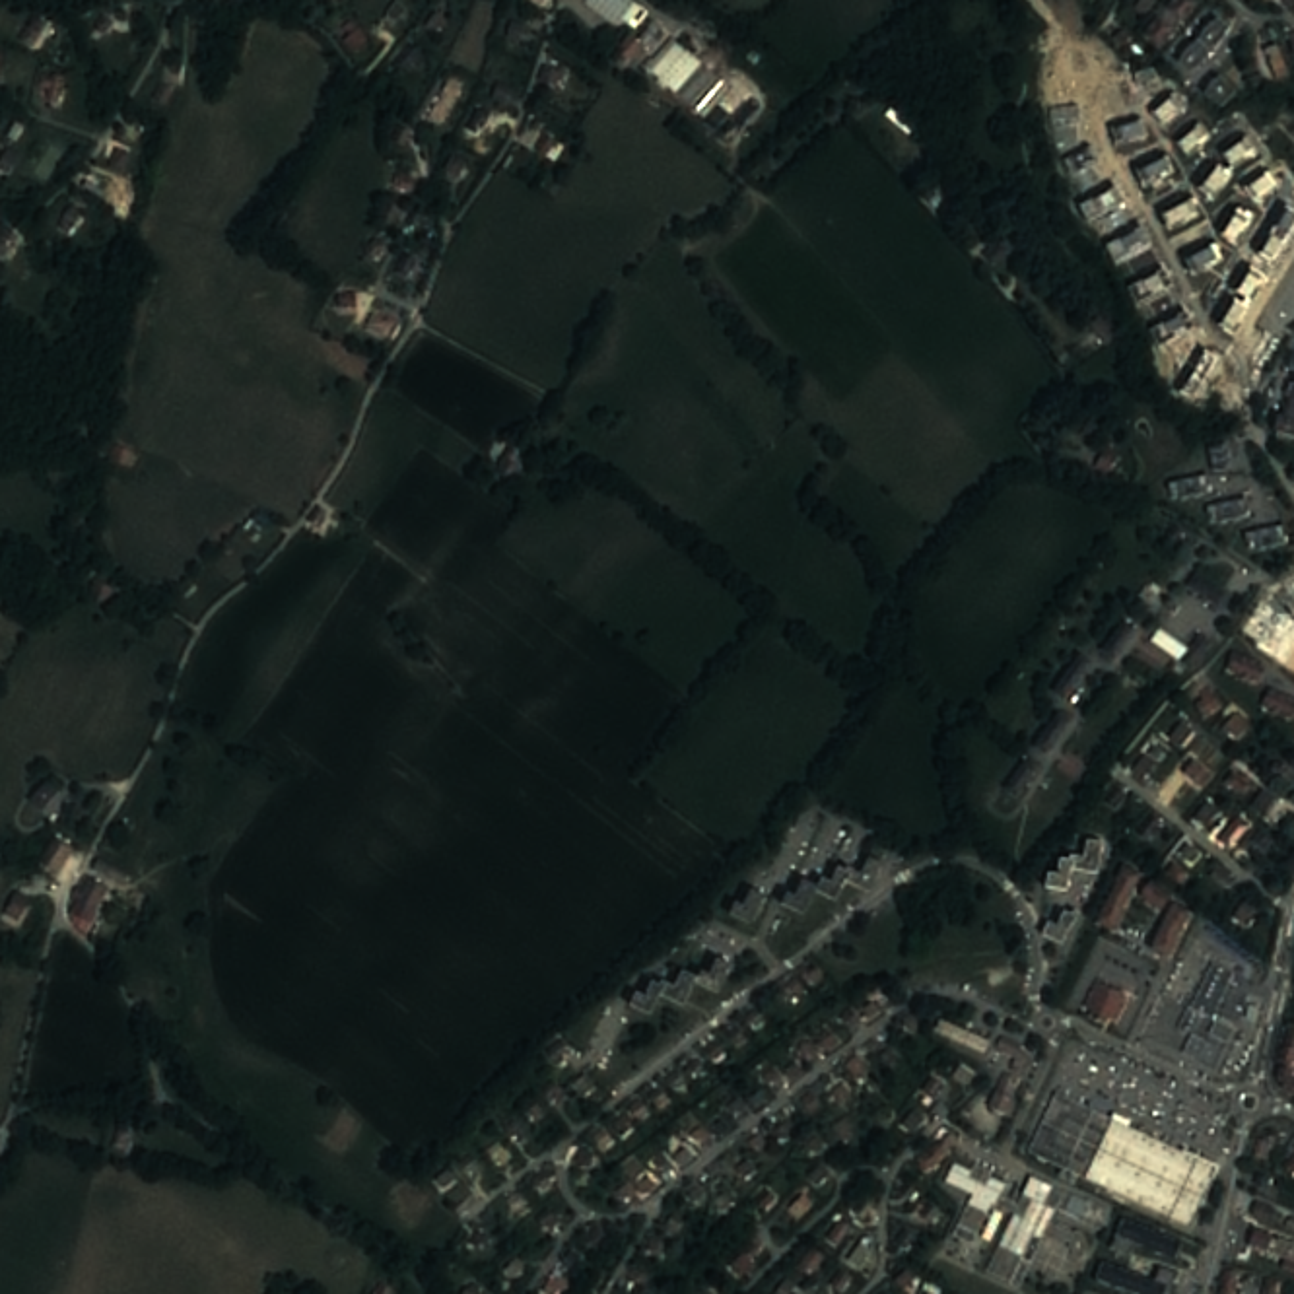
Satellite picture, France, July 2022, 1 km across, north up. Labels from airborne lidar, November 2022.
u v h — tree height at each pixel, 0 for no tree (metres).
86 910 0
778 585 0
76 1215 0
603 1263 15
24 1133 16
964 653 0
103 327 16
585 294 0
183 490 0
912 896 16
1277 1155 8
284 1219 0
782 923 0
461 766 0
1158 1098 0
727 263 0
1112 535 8
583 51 15
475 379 0
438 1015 0
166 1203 0
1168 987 0
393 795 0
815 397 0
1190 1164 0
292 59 0
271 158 0
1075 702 0
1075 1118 0
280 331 0
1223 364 0
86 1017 0
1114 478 10
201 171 0
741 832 0
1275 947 7
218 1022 0
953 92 23
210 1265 0
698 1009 0
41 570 25
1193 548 7
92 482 21
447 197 10
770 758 0
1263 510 0
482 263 0
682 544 20
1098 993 0
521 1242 12
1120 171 0
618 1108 8
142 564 0
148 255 15
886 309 0
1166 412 17
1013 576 0
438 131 8
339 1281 0
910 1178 7
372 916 0
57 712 0
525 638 0
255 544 0
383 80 18
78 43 7
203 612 0
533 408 0
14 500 0
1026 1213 0
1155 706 16
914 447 0
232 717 0
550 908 0
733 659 18
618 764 0
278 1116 0
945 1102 0
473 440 0
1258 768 13
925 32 23
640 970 19
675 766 0
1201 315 0
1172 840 17
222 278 0
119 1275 0
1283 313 0
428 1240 0
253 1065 0
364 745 0
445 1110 0
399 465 0
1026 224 25
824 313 0
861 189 0
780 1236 10
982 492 17
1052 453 15
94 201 15
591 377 0
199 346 0
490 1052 0
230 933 0
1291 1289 6
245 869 0
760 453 0
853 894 0
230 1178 16
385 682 0
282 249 26
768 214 0
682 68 0
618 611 0
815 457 0
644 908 0
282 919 0
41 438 6
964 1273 0
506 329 0
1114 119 0
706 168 0
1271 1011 0
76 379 12
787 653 0
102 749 0
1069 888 0
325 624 0
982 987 0
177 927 0
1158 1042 0
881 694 26
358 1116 0
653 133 0
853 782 0
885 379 0
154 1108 20
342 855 0
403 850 0
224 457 0
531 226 0
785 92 0
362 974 0
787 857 0
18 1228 0
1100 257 6
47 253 7
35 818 0
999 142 17
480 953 0
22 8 13
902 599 20
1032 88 0
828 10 0
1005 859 15
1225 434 7
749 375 0
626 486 19
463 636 0
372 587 0
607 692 0
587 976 0
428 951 0
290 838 0
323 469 0
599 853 0
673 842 0
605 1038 0
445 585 0
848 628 0
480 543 0
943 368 0
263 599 0
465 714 0
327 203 0
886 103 10
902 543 0
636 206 0
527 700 0
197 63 12
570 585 0
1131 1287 0
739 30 13
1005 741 19
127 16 12
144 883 0
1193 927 0
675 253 0
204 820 0
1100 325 0
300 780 0
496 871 0
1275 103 10
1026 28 18
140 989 0
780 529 0
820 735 0
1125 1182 0
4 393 9
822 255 0
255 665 0
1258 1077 0
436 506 0
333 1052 0
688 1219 7
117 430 15
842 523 21
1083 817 16
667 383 0
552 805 0
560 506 13
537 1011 0
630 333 0
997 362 0
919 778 0
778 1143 13
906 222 0
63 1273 0
